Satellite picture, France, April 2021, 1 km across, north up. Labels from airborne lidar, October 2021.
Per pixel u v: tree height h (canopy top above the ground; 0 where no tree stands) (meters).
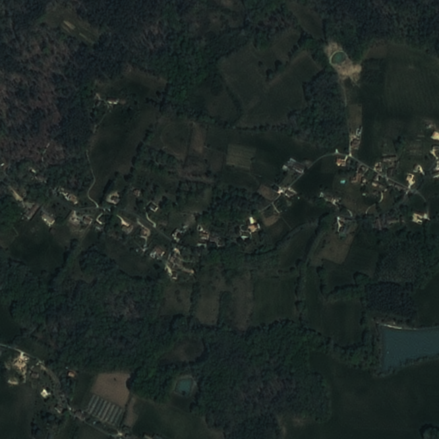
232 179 0
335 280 0
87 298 25
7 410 0
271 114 0
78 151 26
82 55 20
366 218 13
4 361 0
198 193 13
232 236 15
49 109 10
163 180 0
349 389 0
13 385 0
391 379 0
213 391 25
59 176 17
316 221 14
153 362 20
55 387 6
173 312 0
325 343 20
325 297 15
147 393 21
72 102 12
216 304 0
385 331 0
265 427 16
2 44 16
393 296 19
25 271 21
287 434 0
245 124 0
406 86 0
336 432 0
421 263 18
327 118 18
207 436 0
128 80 0
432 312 0
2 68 18
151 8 26
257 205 17
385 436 0
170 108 19
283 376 22
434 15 19
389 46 0
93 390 0
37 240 0
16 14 17
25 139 14
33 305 31
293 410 16
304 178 0
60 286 16
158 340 24
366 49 13
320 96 16
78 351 22
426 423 0
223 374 22
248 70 0
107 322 20
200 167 0
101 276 25
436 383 0
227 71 0
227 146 0
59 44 19
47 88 14
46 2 18
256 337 28
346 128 16
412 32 17
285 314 0
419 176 0
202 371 15
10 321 0
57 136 25
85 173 15
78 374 9
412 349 0
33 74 15
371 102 0
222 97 0
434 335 0
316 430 0
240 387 22
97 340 21
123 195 9
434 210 0
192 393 0
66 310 25
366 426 0
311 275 0
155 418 0
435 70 0
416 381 0
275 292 0
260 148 0
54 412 0
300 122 17
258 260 21
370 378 0
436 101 0
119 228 12
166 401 18
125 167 0
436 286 0
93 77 21
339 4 25
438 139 0
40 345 11
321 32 0
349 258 0
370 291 14
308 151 0
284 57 0
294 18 16
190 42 11
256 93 0
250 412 17
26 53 18
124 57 26
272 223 0
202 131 0
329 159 0
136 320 13
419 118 0
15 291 26
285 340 24
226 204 14
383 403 0
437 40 16
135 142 0
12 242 0
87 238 0
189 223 0
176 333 29
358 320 0
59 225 9
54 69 15
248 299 0
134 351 20
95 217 0
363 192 9
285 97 0
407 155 0
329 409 14
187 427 0
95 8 27
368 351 17
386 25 24
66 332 14
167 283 16
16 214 19
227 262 24
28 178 19
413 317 17
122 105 7
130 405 0
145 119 0
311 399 11
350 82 0
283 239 7
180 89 18
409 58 0
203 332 23
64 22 0
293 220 0
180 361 0
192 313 8
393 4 24
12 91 20
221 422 17
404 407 0
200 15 9
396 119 0
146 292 18
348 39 21
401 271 28
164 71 19
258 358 18
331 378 0
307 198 10
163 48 13
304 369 15
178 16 18
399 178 0
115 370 19
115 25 26
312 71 0
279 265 16
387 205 0
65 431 0
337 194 7
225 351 23
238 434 13
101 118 0
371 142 0
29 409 0
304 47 21
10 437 0
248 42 12
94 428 0
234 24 0
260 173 0
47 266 0
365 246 0
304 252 0
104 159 0
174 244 12
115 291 23
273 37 15
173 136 0
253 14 21
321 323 0
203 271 12
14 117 24
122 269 0
